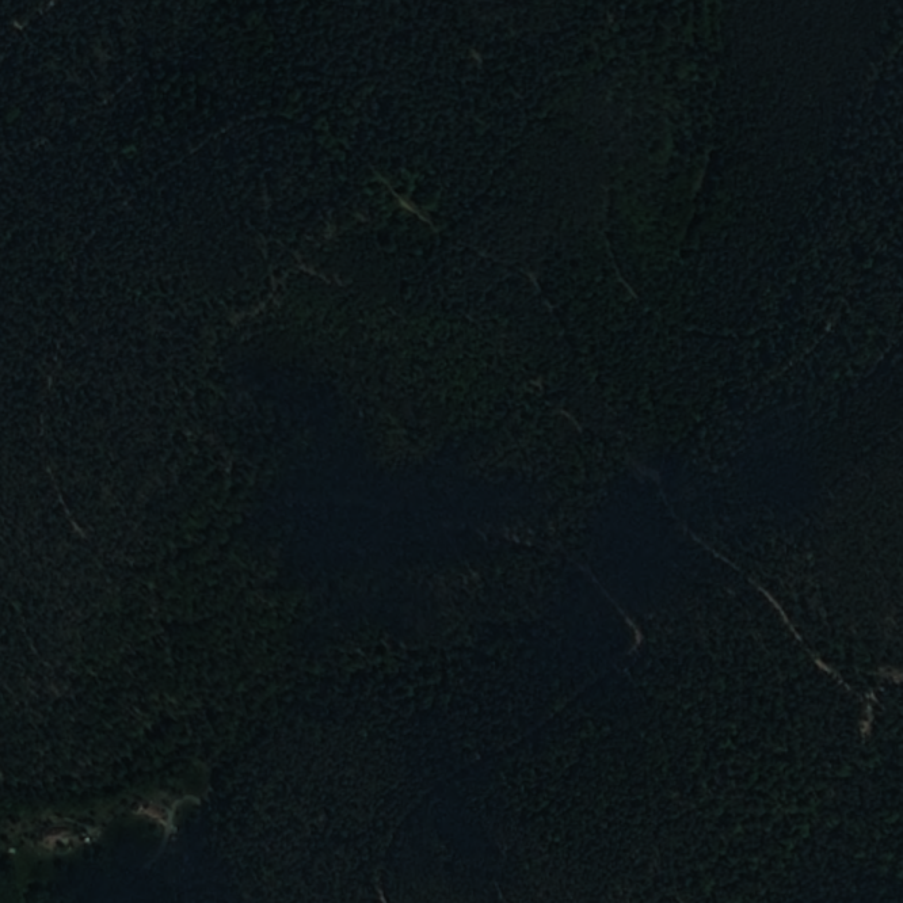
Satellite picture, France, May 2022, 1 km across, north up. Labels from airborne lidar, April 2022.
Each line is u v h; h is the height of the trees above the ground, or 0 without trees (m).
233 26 12
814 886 28
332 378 15
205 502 30
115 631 31
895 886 25
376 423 22
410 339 7
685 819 22
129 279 26
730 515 28
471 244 20
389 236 11
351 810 22
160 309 27
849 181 28
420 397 8
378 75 31
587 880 17
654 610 21
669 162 10
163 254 23
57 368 26
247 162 27
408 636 29
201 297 9
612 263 12
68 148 29
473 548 22
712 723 28
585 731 26
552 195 19
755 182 16
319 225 31
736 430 32
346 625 28
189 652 30
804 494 13
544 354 23
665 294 20
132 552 27
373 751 24
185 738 31
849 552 23
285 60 26
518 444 24
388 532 26
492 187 19
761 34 19
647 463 16
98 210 27
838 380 9
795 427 8
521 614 32
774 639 24
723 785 30
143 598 30
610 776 26
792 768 27
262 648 20
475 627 30
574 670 28
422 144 31
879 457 19
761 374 14
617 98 15
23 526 25
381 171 28
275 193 24
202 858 26
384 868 25
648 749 29
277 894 29
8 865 17
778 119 18
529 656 34
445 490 24
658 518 26
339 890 27
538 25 20
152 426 25
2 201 14
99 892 20
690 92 24
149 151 8
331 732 25
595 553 10
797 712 27
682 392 25
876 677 22
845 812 24
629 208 15
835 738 25
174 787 18
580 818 24
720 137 15
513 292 25
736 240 19
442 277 17
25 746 33
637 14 32
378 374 31
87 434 27
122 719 31
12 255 26
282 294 13
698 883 25
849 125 33
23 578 27
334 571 26
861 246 26
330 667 34
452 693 32
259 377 22
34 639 24
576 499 25
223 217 12
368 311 6
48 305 23
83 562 24
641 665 25
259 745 23
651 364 20
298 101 24
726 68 20
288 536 33
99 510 25
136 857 0
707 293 22
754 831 29
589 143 15
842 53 14
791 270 11
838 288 30
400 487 23
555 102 24
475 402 7
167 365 25
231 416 31
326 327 8
